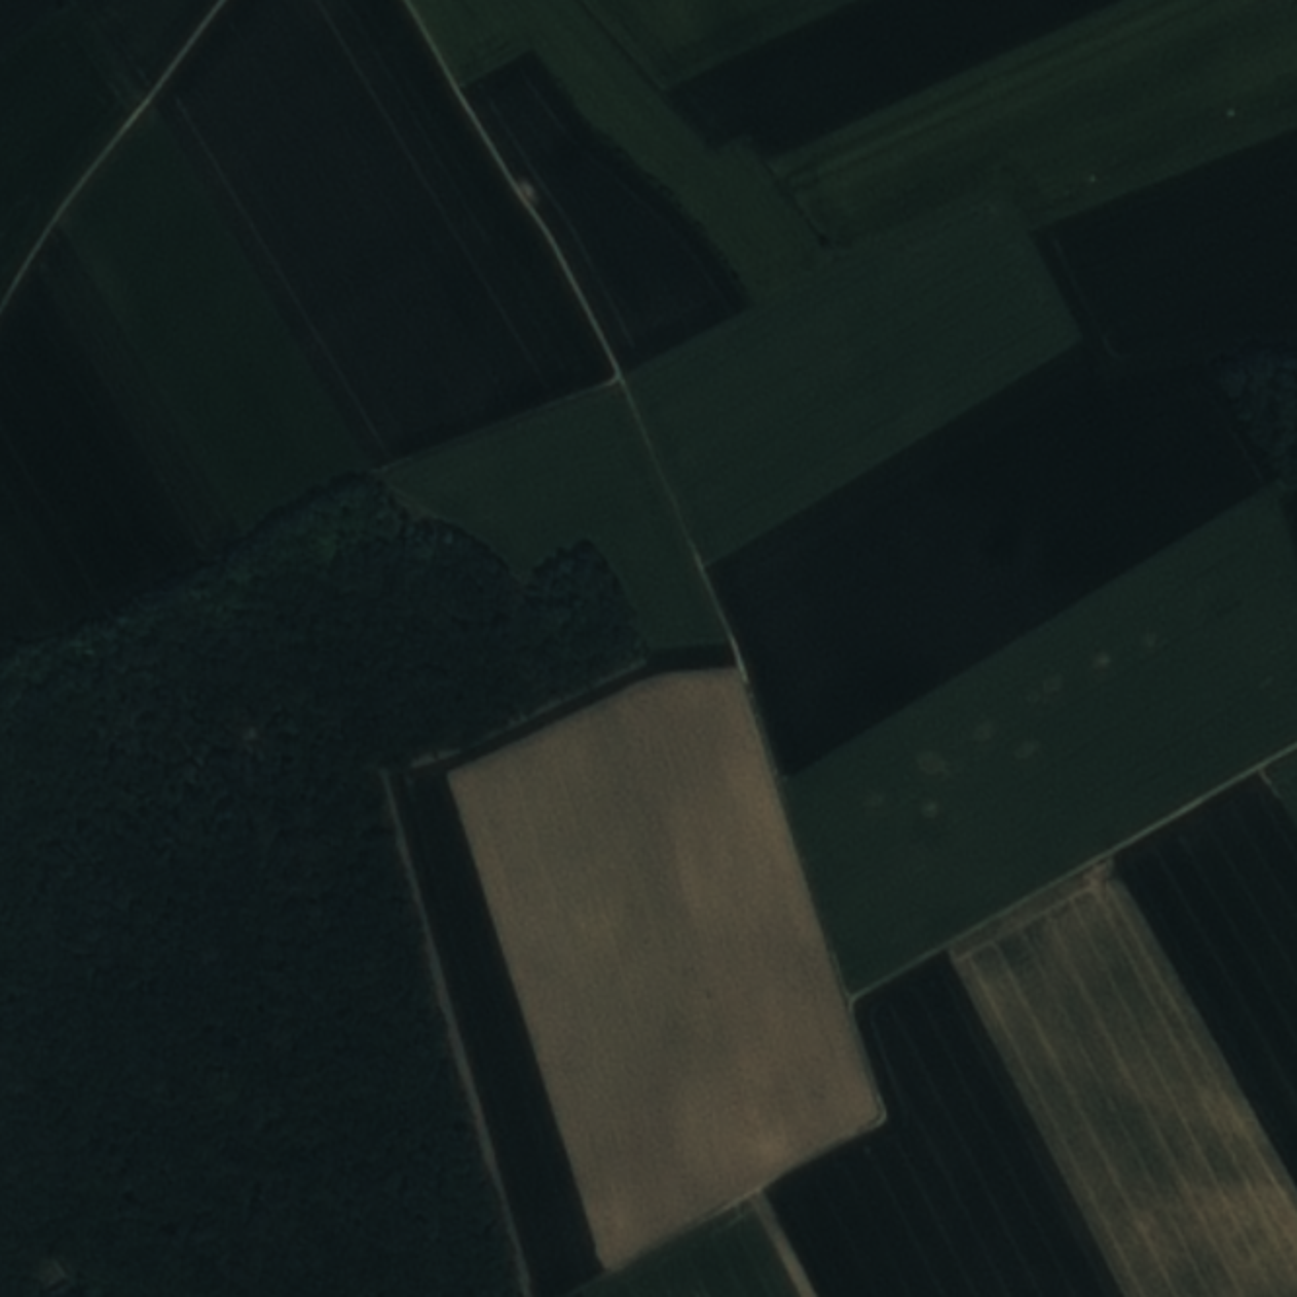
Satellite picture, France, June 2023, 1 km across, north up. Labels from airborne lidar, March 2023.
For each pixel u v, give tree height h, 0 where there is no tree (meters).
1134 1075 0
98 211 0
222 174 0
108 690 18
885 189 0
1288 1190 0
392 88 0
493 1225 21
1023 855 0
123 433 0
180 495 0
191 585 15
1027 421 0
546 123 0
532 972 0
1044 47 0
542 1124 0
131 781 20
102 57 0
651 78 0
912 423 0
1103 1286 0
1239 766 0
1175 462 0
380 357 0
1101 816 0
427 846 0
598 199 0
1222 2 0
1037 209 0
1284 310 0
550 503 0
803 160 0
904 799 0
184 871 20
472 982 0
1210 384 0
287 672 21
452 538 16
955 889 0
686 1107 0
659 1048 0
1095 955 0
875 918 0
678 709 0
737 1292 0
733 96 0
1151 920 0
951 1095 0
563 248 0
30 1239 20
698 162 0
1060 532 0
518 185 0
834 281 0
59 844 20
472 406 0
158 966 23
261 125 0
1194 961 0
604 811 0
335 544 12
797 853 0
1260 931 0
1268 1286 0
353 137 0
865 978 0
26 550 0
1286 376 24
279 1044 23
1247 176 0
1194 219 0
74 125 0
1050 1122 0
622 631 17
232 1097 21
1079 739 0
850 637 0
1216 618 0
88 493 0
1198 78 0
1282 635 0
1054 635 0
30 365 0
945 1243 0
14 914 22
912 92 0
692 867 0
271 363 0
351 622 20
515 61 0
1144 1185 0
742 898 0
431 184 0
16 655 11
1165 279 0
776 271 0
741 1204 0
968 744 0
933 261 0
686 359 0
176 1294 19
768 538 0
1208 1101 0
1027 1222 0
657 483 0
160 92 0
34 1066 23
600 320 0
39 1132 25
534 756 0
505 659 23
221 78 0
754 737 0
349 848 21
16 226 0
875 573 0
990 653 0
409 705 24
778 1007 0
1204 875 0
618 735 0
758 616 0
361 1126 24
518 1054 0
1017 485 0
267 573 20
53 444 0
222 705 22
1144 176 0
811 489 0
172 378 0
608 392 0
